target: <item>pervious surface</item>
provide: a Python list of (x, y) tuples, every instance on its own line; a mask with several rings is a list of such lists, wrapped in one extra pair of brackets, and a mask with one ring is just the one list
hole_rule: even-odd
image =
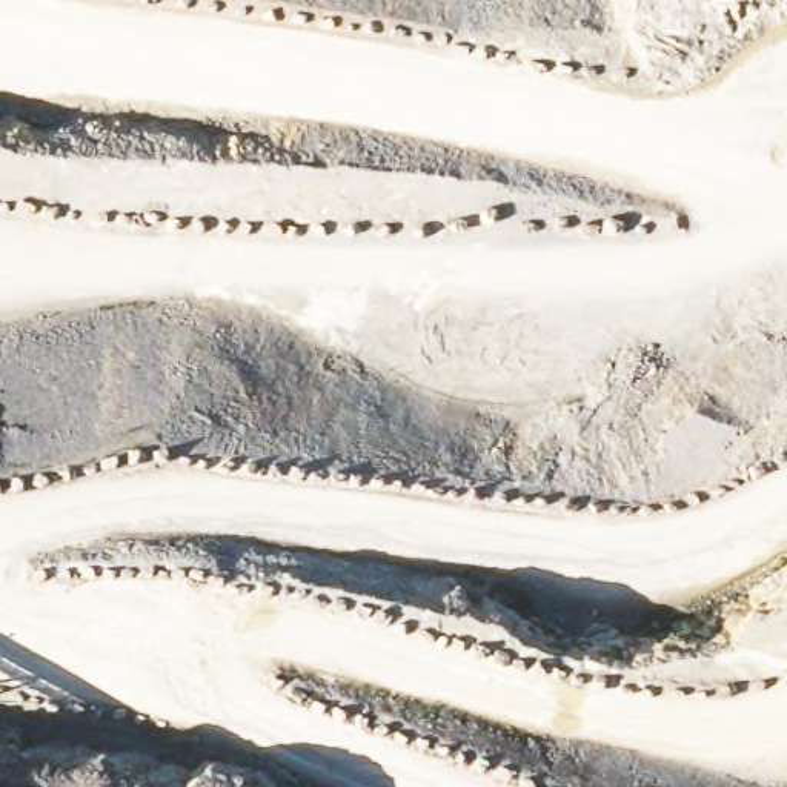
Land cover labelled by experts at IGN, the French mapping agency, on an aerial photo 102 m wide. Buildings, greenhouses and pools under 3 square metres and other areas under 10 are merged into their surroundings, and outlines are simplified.
[(0, 0), (0, 787), (787, 787), (787, 0)]

